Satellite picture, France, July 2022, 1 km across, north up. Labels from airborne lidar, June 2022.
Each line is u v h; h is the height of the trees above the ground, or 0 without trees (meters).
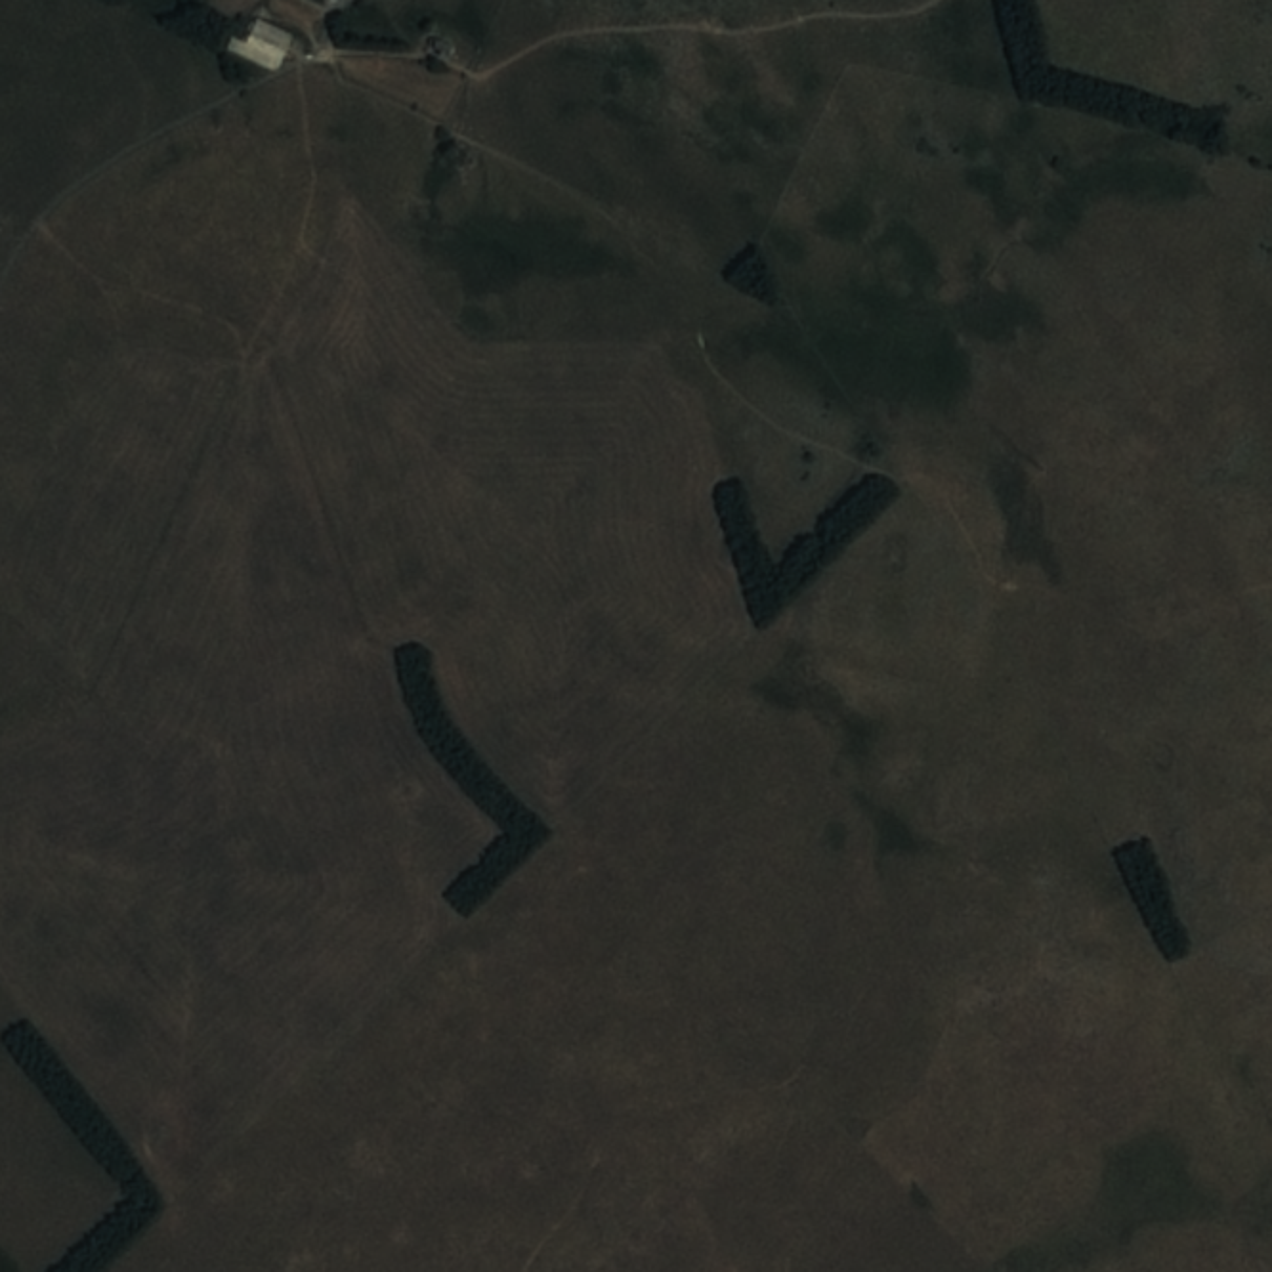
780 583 18
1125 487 0
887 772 0
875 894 0
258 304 0
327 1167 0
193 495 0
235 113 0
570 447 0
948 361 0
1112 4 0
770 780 0
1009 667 0
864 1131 0
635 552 0
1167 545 0
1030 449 0
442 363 0
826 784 0
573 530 0
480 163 0
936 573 0
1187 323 0
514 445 0
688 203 0
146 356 0
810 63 0
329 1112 0
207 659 0
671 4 0
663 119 0
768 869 0
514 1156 0
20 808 0
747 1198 0
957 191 0
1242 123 0
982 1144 0
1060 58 0
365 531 0
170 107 0
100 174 0
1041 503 0
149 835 0
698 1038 0
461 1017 0
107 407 0
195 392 0
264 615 0
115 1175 12
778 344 0
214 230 0
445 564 0
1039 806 0
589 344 0
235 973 0
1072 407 0
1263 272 0
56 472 0
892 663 0
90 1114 16
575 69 0
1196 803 0
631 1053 0
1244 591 0
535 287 0
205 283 0
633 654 0
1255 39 0
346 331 0
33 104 0
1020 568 0
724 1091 0
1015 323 0
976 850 0
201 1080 0
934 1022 0
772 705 0
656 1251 0
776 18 0
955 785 0
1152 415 0
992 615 0
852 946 0
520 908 0
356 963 0
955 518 0
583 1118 0
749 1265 0
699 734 0
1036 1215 0
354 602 0
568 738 0
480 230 0
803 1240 0
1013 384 0
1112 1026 0
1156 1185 0
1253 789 0
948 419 0
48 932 0
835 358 0
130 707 0
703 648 0
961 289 0
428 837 0
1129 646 0
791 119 0
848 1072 0
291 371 0
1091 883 0
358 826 0
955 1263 0
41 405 0
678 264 0
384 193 0
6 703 0
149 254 0
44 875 0
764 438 0
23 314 0
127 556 0
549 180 0
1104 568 0
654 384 0
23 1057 19
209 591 0
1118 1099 0
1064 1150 0
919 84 0
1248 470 0
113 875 0
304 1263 0
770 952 0
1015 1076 0
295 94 0
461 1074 0
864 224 0
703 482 0
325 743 0
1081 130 0
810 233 0
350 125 0
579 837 0
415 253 0
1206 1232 0
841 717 0
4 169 0
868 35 0
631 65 0
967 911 0
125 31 0
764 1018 0
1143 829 0
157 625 0
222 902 0
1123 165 0
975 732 0
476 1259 0
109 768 0
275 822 0
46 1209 0
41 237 0
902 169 0
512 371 0
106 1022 0
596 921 0
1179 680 0
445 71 7
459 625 0
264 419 0
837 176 0
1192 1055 0
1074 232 0
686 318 0
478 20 0
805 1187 0
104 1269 14
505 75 0
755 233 0
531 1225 0
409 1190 0
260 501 0
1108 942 0
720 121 0
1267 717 0
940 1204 0
